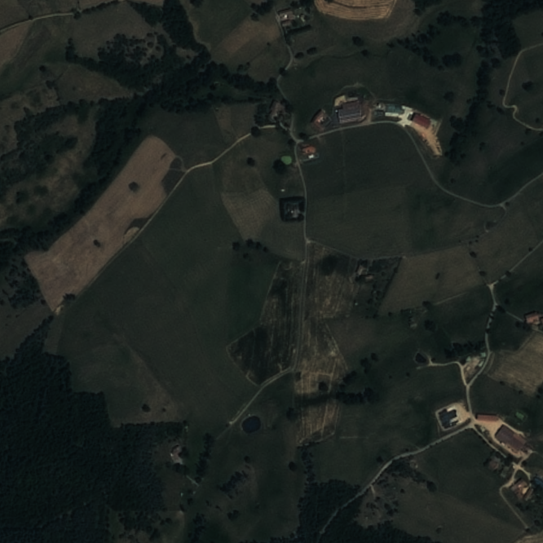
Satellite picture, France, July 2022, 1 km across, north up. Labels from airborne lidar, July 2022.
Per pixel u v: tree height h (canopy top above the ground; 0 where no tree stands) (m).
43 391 24
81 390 0
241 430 0
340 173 0
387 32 0
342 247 0
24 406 10
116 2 8
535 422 0
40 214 0
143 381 0
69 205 0
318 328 0
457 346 15
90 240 0
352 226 0
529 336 0
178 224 0
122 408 0
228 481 0
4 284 0
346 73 0
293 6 12
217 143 0
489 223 0
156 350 0
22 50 0
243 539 0
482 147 8
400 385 0
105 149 10
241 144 0
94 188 19
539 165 0
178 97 7
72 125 0
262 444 0
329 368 0
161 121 0
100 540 14
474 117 21
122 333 0
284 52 0
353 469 0
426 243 0
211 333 0
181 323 0
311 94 0
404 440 0
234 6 0
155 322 0
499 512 0
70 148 12
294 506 0
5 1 0
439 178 0
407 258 0
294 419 15
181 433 16
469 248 0
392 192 0
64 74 0
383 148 0
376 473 0
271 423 0
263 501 0
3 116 0
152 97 25
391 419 0
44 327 9
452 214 0
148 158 0
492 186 0
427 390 0
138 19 0
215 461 0
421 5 17
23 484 10
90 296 0
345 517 8
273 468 0
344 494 7
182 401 0
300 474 0
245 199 0
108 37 0
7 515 12
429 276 0
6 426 27
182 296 0
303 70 0
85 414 12
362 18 0
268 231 0
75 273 0
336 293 0
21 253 14
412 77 0
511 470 0
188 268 0
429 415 0
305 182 0
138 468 10
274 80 12
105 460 14
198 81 27
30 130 0
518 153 0
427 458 0
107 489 13
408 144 0
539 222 0
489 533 0
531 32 0
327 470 0
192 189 0
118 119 18
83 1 0
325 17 0
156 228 0
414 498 0
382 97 0
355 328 0
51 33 0
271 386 0
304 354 0
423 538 6
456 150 18
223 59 0
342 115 0
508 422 0
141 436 14
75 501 16
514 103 0
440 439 0
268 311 0
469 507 0
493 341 0
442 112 0
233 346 0
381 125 0
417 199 0
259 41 0
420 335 0
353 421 0
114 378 0
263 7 15
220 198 0
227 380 0
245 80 25
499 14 14
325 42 0
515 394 0
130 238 0
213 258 0
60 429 13
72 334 0
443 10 0
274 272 0
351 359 0
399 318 0
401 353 0
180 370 0
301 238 0
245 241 0
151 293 0
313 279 0
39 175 0
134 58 13
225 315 0
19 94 0
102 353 0
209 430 0
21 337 0
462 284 0
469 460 0
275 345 0
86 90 0
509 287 0
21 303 8
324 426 0
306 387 0
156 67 11
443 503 0
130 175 0
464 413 0
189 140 0
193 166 0
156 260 0
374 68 0
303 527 9
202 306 0
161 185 0
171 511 0
